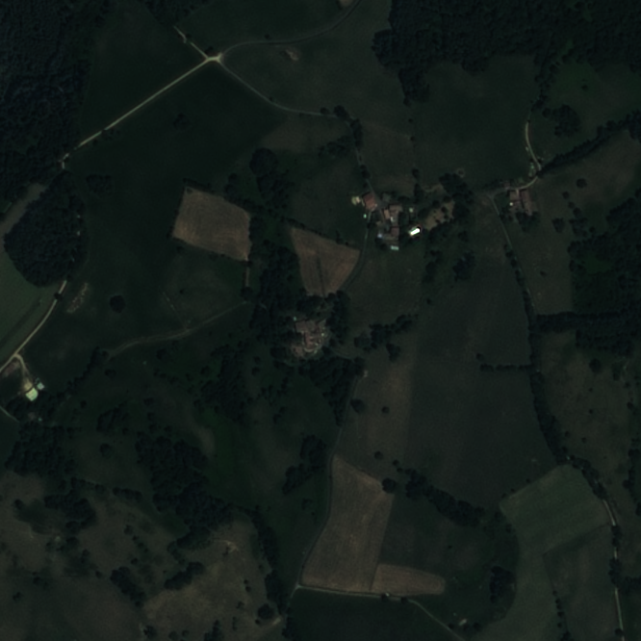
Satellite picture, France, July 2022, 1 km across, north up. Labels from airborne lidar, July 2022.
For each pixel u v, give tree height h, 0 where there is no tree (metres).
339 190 0
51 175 19
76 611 0
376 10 0
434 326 0
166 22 9
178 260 0
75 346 0
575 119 22
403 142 0
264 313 18
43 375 0
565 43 8
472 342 0
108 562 0
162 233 0
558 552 0
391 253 0
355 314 0
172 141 0
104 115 0
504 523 11
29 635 0
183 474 14
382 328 14
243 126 0
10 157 15
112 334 0
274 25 0
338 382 17
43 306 0
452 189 19
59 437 23
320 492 0
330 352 26
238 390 9
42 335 0
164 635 0
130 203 0
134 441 0
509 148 0
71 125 20
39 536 0
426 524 0
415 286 0
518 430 0
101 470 0
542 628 0
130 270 0
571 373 0
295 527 0
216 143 0
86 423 0
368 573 0
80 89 29
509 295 0
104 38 0
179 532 0
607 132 13
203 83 0
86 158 0
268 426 0
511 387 0
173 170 0
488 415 0
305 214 0
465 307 0
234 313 0
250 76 0
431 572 0
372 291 0
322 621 0
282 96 0
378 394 0
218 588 0
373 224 8
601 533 0
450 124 0
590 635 0
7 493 0
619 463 0
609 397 0
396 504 0
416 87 21
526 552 0
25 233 18
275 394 12
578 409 0
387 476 0
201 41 0
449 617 0
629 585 25
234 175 8
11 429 0
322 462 15
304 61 0
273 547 15
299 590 0
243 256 0
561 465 13
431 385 0
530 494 0
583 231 12
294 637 16
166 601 0
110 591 0
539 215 8
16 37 16
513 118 0
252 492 0
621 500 0
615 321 30
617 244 6
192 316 0
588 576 0
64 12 18
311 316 12
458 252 0
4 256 0
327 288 0
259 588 0
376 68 0
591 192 0
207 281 0
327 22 0
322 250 0
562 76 0
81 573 0
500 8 26
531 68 0
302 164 0
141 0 17
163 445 24
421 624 0
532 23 21
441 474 0
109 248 0
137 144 0
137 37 0
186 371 0
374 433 0
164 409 0
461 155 0
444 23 22
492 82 0
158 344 0
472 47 22
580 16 11
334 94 0
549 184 0
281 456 0
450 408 0
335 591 0
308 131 0
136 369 0
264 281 21
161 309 0
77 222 17
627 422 0
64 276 18
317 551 0
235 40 0
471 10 18
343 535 0
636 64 21
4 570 0
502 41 19
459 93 0
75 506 17
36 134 6
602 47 13
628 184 0
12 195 15
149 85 0
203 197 0
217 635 20
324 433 0
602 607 0
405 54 22
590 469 14
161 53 0
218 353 10
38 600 0
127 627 0
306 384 0
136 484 0
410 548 0
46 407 8
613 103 0
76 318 0
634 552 0
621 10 12
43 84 21
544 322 15
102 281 0
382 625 0
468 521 23
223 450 0
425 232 8
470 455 0
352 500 0
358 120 6
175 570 0
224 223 0
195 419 0
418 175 13
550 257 0
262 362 13
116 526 0
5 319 0
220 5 0
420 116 0
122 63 0
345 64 0
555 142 0
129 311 0
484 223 0
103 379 0
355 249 0
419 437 0
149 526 0
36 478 0
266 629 0
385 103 0
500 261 0
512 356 0
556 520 0
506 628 0
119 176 0
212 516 17
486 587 0
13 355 0
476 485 0
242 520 0
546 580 0
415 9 25
